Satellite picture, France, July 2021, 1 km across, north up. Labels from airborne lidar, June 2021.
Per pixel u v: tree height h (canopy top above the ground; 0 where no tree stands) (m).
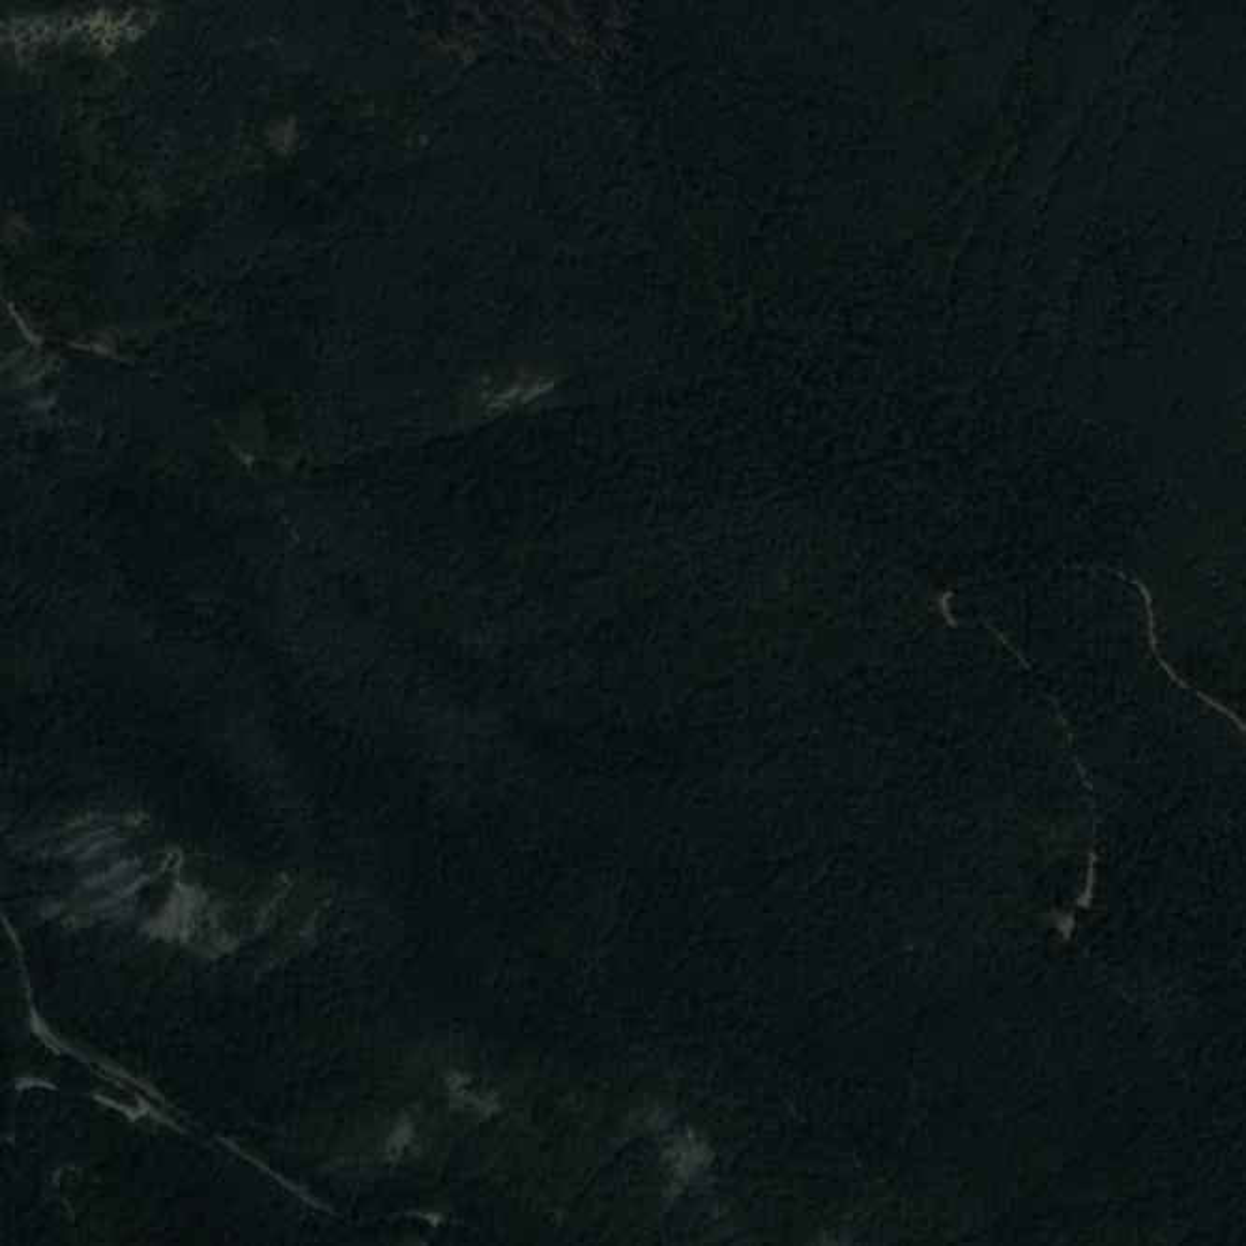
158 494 19
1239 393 11
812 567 7
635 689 10
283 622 12
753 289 11
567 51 11
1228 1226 14
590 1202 10
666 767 11
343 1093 6
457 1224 10
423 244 11
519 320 10
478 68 9
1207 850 16
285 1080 14
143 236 8
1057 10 11
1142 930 18
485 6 15
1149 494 13
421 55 7
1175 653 16
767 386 18
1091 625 15
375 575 8
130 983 15
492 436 13
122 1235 14
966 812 15
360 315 9
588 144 9
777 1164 12
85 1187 15
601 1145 10
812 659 6
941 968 12
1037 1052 12
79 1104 15
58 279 7
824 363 14
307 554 10
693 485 10
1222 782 14
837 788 10
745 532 7
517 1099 10
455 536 8
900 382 14
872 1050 14
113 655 15
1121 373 13
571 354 7
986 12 11
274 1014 14
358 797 14
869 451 8
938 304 13
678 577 14
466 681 16
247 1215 17
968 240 10
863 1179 11
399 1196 22
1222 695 10
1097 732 15
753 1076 11
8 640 12
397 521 8
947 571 12
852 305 15
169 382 11
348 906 8
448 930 23
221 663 7
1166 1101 12
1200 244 12
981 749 13
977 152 12
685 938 15
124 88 7
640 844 12
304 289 8
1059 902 19
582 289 10
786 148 16
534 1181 8
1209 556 11
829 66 11
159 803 11
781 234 14
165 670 6
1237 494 13
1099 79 10
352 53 6
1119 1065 13
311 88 7
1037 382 13
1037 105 15
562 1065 11
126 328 7
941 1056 12
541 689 13
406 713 8
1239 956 14
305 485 9
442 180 7
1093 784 10
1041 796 18
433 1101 13
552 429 8
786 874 14
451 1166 7
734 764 7
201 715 13
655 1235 9
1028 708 15
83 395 8
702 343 10
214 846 10
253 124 6
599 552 9
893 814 12
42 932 10
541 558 9
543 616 9
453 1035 8
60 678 14
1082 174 12
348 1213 22
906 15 9
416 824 20
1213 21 8
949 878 12
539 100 8
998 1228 16
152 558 15
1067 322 8
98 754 8
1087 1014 11
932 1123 13
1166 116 12
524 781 13
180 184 7
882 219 15
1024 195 10
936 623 11
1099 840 8
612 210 9
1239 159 9
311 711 16
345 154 11
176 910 0
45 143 8
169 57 8
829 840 9
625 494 9
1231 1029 22
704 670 7
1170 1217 10
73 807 7
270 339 10
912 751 7
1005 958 16
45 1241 17
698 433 13
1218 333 11
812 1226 11
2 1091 22
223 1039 16
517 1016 18
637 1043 9
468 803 12
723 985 13
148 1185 21
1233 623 10
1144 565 13
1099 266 11
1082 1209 14
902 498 16
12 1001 12
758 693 10
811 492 7
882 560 8
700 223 8
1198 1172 15
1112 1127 16
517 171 9
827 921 11
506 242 7
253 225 10
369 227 10
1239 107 8
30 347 6
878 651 12
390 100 8
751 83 14
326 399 9
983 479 12
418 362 8
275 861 9
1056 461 17
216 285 8
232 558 13
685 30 17
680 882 20
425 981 13
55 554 12
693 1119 10
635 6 11
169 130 6
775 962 9
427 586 7
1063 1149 13
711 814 13
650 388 7
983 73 9
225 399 10
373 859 8
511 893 15
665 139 10
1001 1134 13
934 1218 10
